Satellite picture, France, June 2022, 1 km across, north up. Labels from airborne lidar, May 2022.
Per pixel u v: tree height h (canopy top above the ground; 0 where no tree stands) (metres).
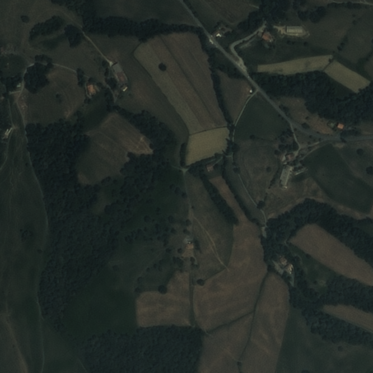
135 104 0
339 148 0
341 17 0
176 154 0
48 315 9
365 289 12
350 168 0
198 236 0
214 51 11
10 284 0
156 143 17
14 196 0
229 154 13
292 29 0
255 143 0
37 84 15
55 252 15
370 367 0
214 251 0
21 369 0
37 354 0
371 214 0
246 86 0
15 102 0
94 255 14
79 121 14
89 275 8
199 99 0
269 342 0
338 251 0
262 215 0
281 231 21
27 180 0
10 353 0
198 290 0
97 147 0
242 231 0
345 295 12
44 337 0
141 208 0
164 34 21
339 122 7
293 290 17
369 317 0
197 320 0
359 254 14
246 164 0
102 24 30
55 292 19
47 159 13
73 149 27
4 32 0
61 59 0
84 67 0
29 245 0
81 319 0
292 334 0
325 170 0
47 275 15
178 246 0
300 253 0
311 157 0
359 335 23
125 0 0
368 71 0
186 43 0
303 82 19
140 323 0
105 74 9
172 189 12
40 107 0
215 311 0
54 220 13
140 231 16
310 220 11
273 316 0
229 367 0
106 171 0
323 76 17
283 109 9
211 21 0
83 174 0
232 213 18
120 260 0
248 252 0
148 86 0
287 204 0
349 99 16
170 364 16
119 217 21
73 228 20
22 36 0
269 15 13
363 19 0
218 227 0
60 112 0
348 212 0
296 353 0
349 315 0
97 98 0
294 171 8
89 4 23
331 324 19
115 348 20
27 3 0
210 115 0
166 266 0
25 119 0
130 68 0
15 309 0
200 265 0
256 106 0
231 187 14
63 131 22
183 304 0
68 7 8
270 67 0
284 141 23
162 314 0
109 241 14
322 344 0
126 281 0
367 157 0
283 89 17
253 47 0
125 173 12
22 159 0
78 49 0
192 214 0
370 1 0
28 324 0
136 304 0
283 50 0
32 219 0
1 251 0
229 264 0
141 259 0
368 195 0
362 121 16
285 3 21
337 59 0
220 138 0
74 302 0
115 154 0
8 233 0
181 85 0
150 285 0
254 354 0
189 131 0
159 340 22
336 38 0
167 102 0
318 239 0
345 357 0
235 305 0
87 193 17
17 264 0
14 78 7
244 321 0
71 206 21
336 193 0
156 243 0
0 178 0
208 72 0
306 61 0
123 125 0
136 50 0
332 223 13
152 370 20
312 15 22
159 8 0
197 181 0
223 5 0
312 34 0
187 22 0
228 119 15
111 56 0
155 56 0
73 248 19
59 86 0
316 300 13
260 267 0
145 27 23
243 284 0
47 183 7
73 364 0
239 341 0
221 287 0
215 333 0
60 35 0
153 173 13
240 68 0
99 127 0
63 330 17
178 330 20
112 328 0
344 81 0
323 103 18
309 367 0
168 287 0
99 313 0
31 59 0
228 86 0
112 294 0
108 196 0
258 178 0
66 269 16
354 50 0
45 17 0
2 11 0
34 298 0
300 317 0
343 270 0
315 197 0
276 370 0
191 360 20
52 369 0
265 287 0
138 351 18
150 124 21
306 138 0
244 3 0
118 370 9
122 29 25
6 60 0
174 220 16
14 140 0
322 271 0
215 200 17
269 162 0
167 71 0
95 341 12
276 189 0
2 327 0
